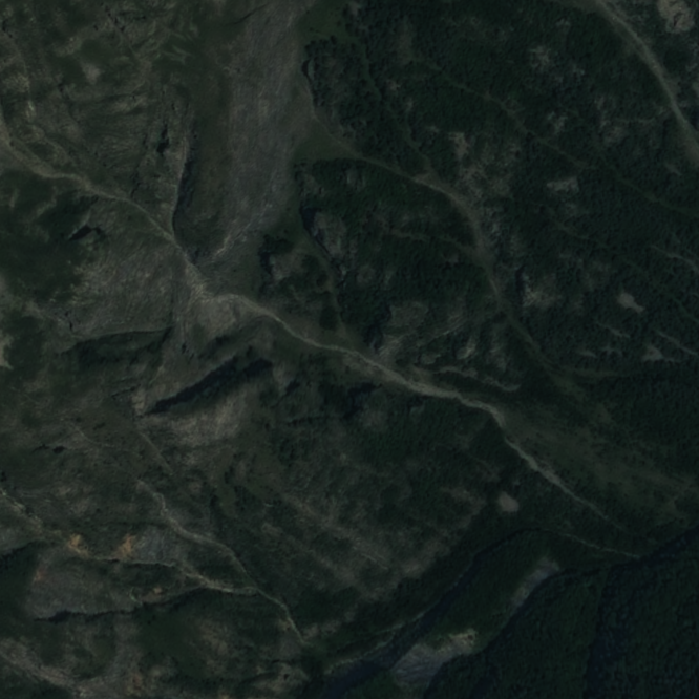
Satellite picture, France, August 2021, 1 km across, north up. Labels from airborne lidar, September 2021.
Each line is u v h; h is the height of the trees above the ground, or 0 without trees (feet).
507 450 43
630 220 100
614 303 113
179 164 0
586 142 107
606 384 45
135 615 23
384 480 28
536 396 39
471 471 55
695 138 0
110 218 0
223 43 0
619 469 0
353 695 51
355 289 35
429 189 21
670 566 92
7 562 28
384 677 44
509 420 0
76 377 0
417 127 81
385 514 41
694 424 27
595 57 67
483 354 22
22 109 0
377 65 52
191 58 0
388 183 47
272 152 0
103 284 0
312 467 26
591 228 99
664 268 41
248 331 0
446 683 21
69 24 0
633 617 57
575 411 33
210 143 0
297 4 0
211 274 0
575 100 92
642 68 35
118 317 0
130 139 0
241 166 0
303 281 33
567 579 31
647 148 37
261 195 0
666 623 80
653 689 86
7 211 0
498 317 37
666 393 107
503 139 27
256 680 19
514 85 66
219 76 0
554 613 75
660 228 111
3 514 0
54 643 0
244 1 0
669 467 29
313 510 0
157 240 0
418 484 66
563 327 94
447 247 45
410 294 64
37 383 0
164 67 0
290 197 0
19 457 0
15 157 0
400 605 40
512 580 43
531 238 36
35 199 0
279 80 0
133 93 0
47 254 0
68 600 0
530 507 36
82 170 0
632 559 24
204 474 19
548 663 81
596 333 94
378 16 83
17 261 0
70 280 0
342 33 0
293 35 0
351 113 38
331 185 42
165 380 0
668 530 51
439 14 35
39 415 0
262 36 0
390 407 22
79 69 0
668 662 83
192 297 0
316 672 33
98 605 0
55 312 0
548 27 41
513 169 22
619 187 45
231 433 0
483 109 59
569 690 76
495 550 69
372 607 38
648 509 20
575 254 32
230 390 26
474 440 28
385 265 59
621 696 76
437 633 31
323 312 26
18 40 0
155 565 19
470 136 24
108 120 0
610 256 91
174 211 0
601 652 36
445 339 35
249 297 0
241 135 0
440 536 22
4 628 0
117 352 0
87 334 0
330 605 33
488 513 29
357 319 25
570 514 29
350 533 0
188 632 0
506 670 64
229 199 0
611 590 58
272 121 0
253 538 44
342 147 0
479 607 38
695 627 71
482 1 26
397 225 44
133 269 0
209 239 0
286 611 23
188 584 22
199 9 0
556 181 32
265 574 23
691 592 103
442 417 40
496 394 25
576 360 75
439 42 84
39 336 0
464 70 33
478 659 28
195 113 0
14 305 0
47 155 0
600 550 21
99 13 0
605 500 42
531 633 56
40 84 0
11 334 0
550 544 76
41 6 0
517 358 38
